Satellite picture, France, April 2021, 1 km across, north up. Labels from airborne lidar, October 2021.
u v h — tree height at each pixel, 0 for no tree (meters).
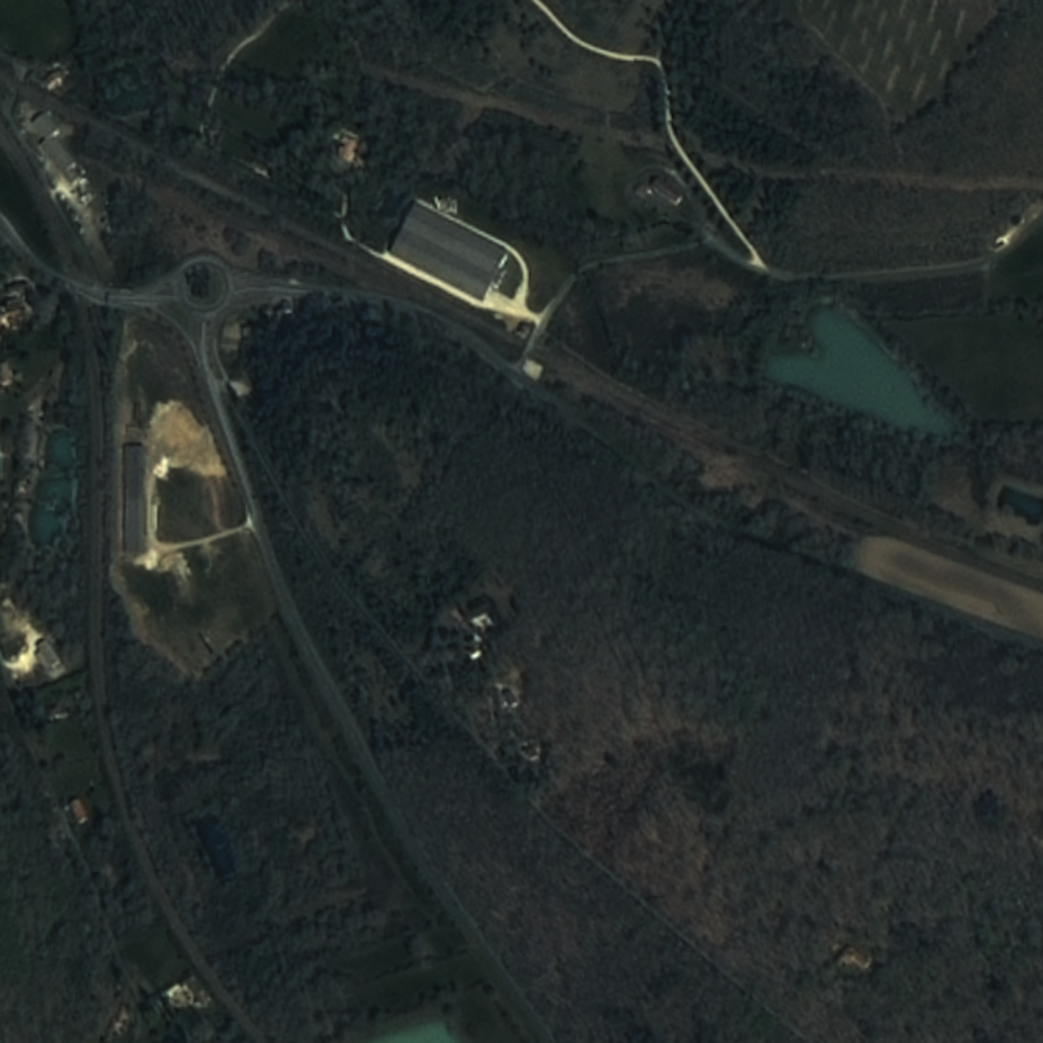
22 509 12
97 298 0
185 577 0
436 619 12
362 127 9
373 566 13
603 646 21
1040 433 15
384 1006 0
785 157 20
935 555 0
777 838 13
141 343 0
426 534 14
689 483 8
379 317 11
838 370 0
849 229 15
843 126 16
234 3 8
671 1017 14
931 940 14
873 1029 22
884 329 10
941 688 18
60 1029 14
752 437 26
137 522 0
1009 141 14
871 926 21
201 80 13
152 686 11
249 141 14
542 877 17
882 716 23
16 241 0
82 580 9
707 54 14
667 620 24
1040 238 0
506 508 21
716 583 19
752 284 6
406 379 24
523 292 0
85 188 0
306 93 18
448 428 13
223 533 0
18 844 22
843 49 0
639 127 7
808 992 23
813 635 19
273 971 10
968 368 0
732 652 20
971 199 10
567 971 20
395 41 19
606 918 22
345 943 10
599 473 18
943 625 20
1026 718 16
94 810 0
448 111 10
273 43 0
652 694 23
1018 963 24
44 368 0
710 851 19
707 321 15
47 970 22
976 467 12
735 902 20
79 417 19
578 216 11
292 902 12
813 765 19
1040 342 0
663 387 13
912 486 9
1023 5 17
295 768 9
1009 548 8
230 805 17
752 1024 20
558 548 18
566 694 17
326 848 9
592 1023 20
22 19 0
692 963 17
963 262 12
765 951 18
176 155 11
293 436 14
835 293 15
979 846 21
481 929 15
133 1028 9
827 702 17
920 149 20
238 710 9
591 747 17
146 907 17
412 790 22
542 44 0
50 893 23
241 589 0
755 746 19
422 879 8
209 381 0
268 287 0
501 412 23
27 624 0
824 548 17
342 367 17
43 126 0
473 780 19
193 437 0
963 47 0
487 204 12
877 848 18
